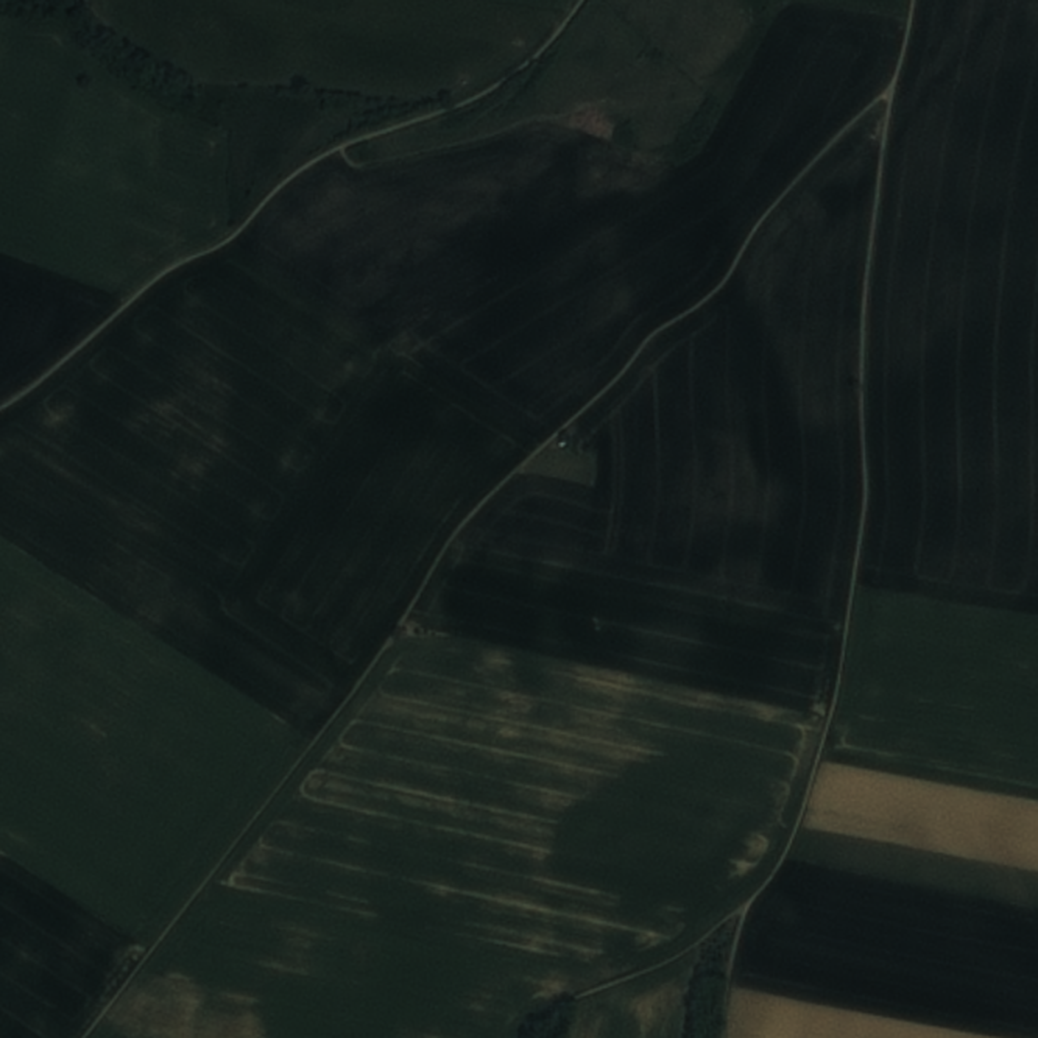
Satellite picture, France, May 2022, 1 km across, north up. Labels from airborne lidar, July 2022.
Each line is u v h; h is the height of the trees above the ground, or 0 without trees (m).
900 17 0
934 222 0
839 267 0
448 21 0
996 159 0
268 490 0
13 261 0
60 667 0
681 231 0
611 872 0
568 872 0
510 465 0
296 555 0
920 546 0
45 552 0
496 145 0
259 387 0
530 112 0
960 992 0
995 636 0
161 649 0
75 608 0
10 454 0
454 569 0
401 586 0
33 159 0
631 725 0
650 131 0
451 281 0
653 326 0
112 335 0
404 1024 0
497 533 0
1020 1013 0
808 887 0
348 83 0
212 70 0
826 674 0
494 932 0
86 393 0
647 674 0
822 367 0
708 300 0
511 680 0
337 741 0
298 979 0
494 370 0
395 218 0
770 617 0
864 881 0
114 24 0
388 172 0
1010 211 0
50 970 0
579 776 0
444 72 0
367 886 0
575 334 0
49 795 0
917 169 0
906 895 0
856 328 0
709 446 0
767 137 0
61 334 0
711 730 0
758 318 0
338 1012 0
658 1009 0
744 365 0
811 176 0
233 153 0
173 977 0
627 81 0
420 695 0
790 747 0
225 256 0
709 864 0
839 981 0
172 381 0
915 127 0
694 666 0
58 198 0
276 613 0
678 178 0
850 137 0
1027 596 0
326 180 0
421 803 0
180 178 0
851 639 0
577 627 0
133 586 0
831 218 0
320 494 0
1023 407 0
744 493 0
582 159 0
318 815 0
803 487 0
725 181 0
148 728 0
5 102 0
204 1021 0
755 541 0
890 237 0
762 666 0
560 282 0
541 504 0
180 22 0
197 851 0
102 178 0
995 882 0
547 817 0
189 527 0
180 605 0
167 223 0
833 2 0
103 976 0
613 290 0
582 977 0
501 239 0
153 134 0
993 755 0
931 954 0
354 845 0
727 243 0
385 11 0
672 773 0
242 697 0
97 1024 0
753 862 0
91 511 0
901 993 0
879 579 0
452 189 0
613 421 0
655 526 0
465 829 0
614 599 0
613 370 0
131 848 0
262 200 0
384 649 0
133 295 0
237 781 0
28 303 0
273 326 0
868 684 0
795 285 0
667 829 0
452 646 0
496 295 0
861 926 0
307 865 0
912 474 0
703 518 0
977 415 0
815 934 0
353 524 0
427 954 0
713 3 0
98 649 0
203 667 0
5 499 0
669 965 0
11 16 8
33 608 0
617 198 0
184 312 0
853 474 0
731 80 0
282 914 0
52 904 0
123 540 0
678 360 0
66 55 0
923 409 0
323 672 0
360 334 0
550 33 0
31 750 0
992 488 0
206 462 0
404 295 0
